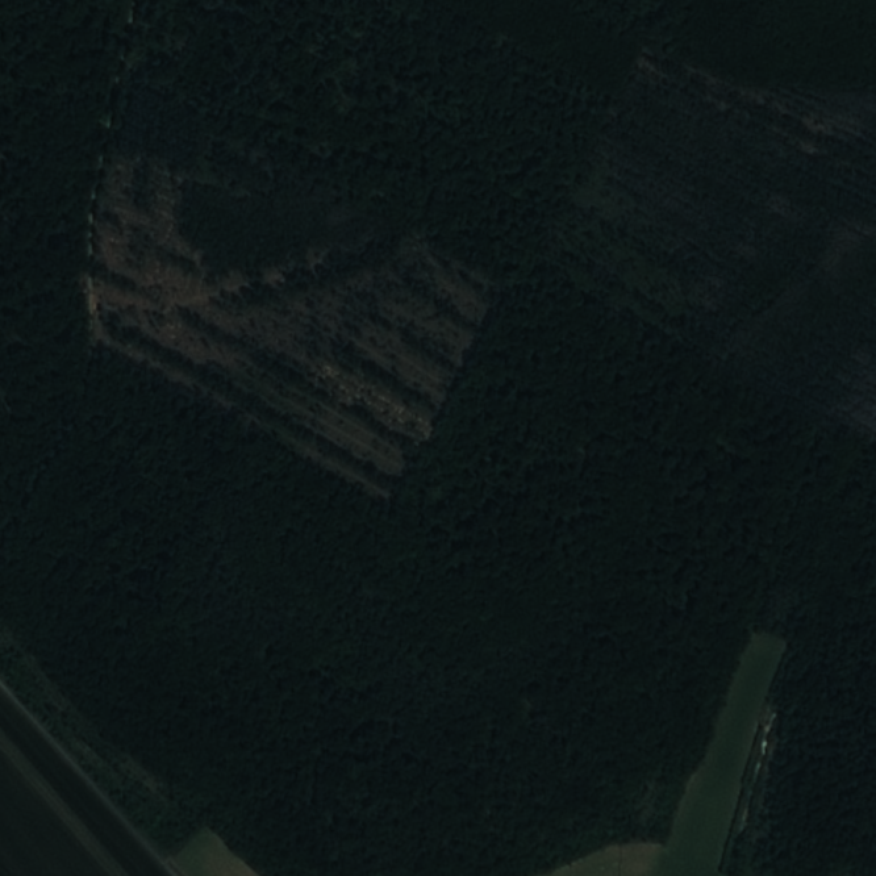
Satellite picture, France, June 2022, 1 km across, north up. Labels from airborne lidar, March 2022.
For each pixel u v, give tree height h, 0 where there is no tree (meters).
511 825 9
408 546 17
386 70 20
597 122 18
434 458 14
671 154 13
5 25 15
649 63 16
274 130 20
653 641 19
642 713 20
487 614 20
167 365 15
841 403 19
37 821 0
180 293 13
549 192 15
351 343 16
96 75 30
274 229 14
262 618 15
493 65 17
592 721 19
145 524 23
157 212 14
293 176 14
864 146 18
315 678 19
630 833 8
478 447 20
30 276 23
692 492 24
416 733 15
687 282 16
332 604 16
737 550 23
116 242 17
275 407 0
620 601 21
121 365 16
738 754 0
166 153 13
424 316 17
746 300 15
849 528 22
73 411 24
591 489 19
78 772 0
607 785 14
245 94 22
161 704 17
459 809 14
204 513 19
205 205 11
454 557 21
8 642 0
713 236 15
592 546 19
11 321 21
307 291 16
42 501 24
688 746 17
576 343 24
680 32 19
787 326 15
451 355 18
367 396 16
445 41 19
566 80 15
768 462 25
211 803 6
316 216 14
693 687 18
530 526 22
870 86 10
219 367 12
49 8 22
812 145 13
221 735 21
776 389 18
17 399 20
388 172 20
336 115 7
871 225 18
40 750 0
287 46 19
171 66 23
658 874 0
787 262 14
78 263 22
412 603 22
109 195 13
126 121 16
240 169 17
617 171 17
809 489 21
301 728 18
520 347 21
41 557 17
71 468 18
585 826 11
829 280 16
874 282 14
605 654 20
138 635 17
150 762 18
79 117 22
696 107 12
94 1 15
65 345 19
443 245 20
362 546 23
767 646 0
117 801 10
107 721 17
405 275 16
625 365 25
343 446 16
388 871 13
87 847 0
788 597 9
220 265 13
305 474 19
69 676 18
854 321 17
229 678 21
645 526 18
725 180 13
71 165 22
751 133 11
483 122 20
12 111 27
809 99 13
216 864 0
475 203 24
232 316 19
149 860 0
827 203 12
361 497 19
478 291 17
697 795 0
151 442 19
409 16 19
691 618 21
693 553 26
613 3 21
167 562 24
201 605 14
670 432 21
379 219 16
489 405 23
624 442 19
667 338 20
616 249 14
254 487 20
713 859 0
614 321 23
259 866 10
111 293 19
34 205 23
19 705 0
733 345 17
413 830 13
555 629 15
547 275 18
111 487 15
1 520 19
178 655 17
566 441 19
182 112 15
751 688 0
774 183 13
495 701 15
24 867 0
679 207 14
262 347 14
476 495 16
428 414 16
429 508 17
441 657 17
